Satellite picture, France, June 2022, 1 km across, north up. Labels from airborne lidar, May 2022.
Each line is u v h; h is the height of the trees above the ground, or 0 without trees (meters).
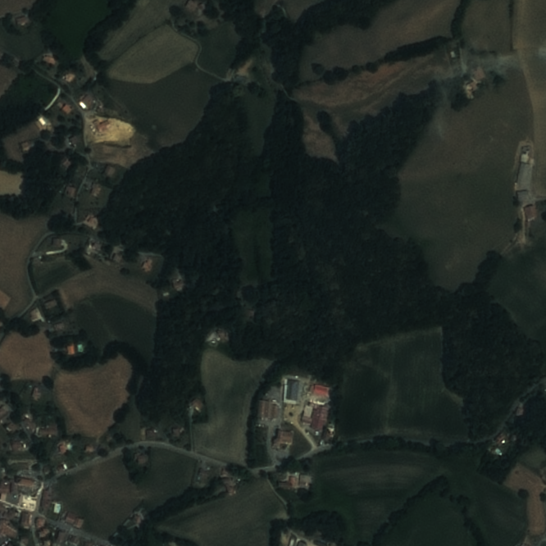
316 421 0
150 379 21
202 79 0
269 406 0
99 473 0
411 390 0
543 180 0
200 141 22
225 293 28
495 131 0
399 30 0
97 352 12
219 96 25
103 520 0
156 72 0
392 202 20
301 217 29
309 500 16
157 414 22
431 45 19
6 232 0
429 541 0
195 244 26
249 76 0
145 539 18
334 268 25
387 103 0
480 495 0
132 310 0
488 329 23
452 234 0
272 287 25
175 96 0
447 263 0
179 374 27
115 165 0
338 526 24
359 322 19
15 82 6
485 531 0
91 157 0
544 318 0
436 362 0
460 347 25
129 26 0
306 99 0
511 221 0
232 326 12
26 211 20
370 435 0
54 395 0
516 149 0
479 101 0
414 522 0
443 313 26
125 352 20
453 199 0
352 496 0
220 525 0
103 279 0
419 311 23
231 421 0
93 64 12
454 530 0
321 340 25
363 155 21
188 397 8
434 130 0
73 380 0
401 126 23
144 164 15
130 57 0
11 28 15
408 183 0
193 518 0
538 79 0
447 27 0
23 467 0
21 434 10
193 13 0
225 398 0
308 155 9
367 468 0
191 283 23
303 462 16
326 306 29
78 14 0
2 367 0
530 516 0
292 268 20
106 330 0
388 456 0
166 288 16
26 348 0
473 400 28
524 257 0
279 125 23
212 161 21
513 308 0
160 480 0
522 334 12
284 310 28
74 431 0
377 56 0
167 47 0
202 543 0
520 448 21
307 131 0
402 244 14
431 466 0
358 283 22
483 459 13
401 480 0
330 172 25
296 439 0
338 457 0
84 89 9
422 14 0
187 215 26
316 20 21
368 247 25
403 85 0
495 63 0
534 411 20
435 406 0
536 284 0
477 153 0
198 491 12
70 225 18
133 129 0
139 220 25
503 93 0
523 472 0
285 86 19
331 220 23
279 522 19
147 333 0
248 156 22
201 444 0
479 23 0
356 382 0
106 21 12
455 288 0
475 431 15
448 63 0
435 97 17
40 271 0
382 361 0
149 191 21
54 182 17
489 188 0
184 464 0
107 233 19
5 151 10
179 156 20
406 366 0
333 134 6
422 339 0
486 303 20
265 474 17
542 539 0
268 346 19
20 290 0
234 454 0
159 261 0
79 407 0
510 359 22
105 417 0
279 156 20
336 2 23
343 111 0
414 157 0
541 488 0
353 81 0
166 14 0
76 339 14
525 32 0
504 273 0
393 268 26
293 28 16
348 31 0
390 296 23
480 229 0
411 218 0
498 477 20
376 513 0
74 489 0
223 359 0
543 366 26
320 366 27
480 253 0
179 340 23
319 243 27
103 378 0
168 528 0
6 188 0
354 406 0
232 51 0
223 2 11
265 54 8
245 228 0
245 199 32
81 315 0
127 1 21
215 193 21
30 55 0
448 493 8
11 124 15
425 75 0
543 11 0
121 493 0
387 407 0
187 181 19
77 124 10
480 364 25
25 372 0
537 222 0
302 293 29
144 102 0
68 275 0
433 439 0
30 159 23
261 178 0
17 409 7
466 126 0
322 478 0
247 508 0
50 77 0
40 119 0
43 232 0
